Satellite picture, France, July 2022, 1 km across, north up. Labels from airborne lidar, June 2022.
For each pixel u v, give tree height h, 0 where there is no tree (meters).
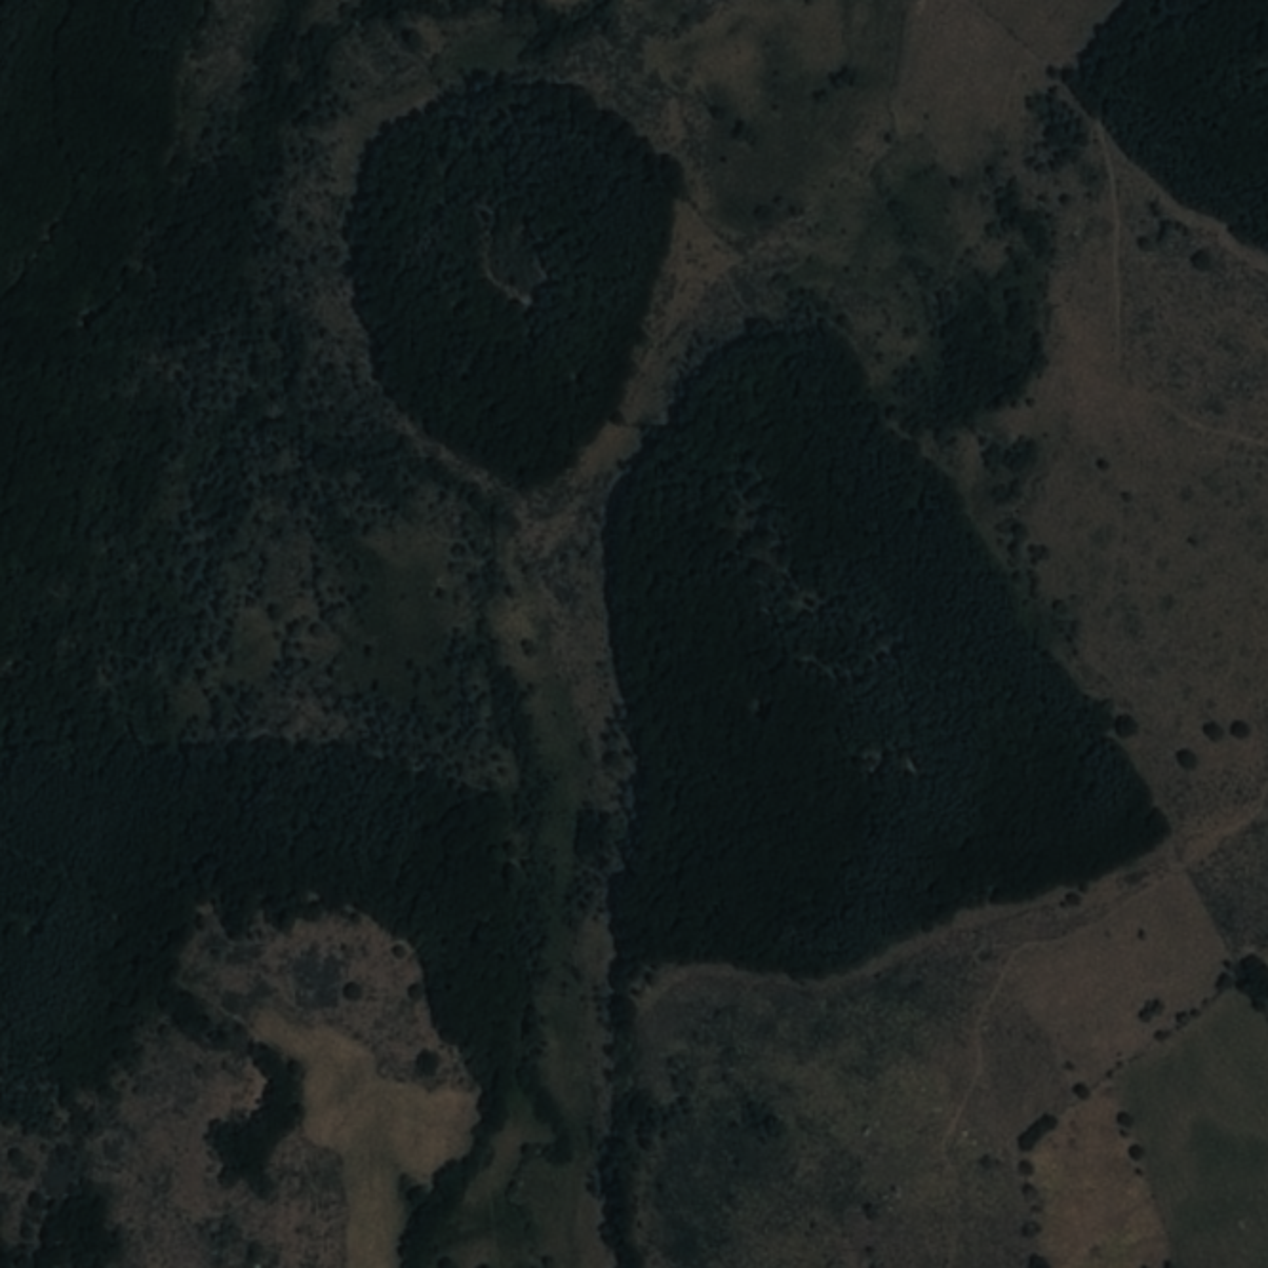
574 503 0
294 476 8
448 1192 21
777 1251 0
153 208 8
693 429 16
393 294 17
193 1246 0
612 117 17
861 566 24
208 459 6
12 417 20
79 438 18
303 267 16
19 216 15
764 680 22
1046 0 0
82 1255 15
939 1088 0
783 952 12
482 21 0
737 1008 0
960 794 23
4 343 16
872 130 0
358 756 17
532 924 8
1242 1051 0
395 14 15
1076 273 0
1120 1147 0
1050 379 0
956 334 9
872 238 0
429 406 15
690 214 0
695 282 0
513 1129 0
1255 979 17
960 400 11
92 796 21
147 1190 0
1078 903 9
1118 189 0
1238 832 0
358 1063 0
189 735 10
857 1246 0
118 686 8
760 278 0
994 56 0
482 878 26
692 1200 0
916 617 27
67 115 20
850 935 21
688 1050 0
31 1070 11
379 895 15
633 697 20
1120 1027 0
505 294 12
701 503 19
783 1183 0
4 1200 0
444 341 16
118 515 8
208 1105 0
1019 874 15
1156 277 0
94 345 19
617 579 22
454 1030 21
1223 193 21
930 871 20
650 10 0
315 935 0
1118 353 0
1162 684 0
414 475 10
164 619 10
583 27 8
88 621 11
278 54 13
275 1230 0
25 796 19
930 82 0
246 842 19
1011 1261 0
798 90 0
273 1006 0
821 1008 0
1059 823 15
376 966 0
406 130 15
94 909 15
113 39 20
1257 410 0
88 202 13
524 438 17
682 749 19
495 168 15
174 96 12
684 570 20
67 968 24
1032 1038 0
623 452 0
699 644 19
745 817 18
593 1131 10
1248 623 0
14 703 8
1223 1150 0
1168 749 0
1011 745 15
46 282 17
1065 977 0
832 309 7
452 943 27
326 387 8
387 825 18
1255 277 0
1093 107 14
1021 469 12
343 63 0
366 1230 0
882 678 21
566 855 0
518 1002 24
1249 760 0
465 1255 0
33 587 16
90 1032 14
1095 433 0
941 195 0
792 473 17
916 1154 0
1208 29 20
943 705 21
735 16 0
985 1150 0
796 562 14
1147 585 0
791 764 20
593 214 25
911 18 0
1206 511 0
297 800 14
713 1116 0
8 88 16
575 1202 0
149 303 8
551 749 0
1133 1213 0
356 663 0
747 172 0
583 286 20
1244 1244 0
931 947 0
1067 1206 0
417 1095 0
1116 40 17
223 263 14
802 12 0
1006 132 0
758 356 13
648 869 20
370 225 17
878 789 13
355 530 13
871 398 11
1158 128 23
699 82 0
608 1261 0
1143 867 0
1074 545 0
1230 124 14
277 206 10
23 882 21
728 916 17
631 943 16
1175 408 0
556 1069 0
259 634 0
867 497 27
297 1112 12
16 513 21
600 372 14
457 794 15
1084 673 0
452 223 11
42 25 14
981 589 23
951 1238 0
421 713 13
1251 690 0
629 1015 15
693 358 7
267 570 7
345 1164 0
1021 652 25
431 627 0
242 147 7
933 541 24
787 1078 0
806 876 20
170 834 22
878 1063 0
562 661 0
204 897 20
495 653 6
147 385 16
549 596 0
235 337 15
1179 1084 0
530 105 10
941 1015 0
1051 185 0
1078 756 15
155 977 17
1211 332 0
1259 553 0
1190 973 0
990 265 0
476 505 9
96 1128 10
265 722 9
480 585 13
